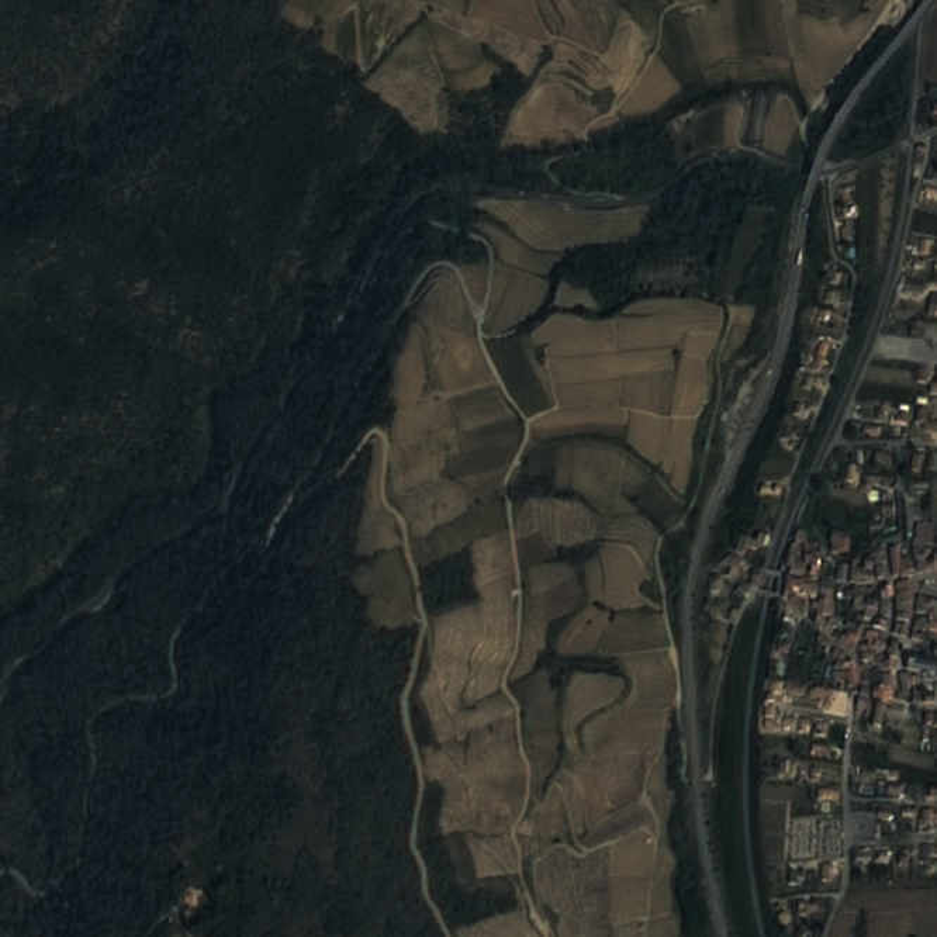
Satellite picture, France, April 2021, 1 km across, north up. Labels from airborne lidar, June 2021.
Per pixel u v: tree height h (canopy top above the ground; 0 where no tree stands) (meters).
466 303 0
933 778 0
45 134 11
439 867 10
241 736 12
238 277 7
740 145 0
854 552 7
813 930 8
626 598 0
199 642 9
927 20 0
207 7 17
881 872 10
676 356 8
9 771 15
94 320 8
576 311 6
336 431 9
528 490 21
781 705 0
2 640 17
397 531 10
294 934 0
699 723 7
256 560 6
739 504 6
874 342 0
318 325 13
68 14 6
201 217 6
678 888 12
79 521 19
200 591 10
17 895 9
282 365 12
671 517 0
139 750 8
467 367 0
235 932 7
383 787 11
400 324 9
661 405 0
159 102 9
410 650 7
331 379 16
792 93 0
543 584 0
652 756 0
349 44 0
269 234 9
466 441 0
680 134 0
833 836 0
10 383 6
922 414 0
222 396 17
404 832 9
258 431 19
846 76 5
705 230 12
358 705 7
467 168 6
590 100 0
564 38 0
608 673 0
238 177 7
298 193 7
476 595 9
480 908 7
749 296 16
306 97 10
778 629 8
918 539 0
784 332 0
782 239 9
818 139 8
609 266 9
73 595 8
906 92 10
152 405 6
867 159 0
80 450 9
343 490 7
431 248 13
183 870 6
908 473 10
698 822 0
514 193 0
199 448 16
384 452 0
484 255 7
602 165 6
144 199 6
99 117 9
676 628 11
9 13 6
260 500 10
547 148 16
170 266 8
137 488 22
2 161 8
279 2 9
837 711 0
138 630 16
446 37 0
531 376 0
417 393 0
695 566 0
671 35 0
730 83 13
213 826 9
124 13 8
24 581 21
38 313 6
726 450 0
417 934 6
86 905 9
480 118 7
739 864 6
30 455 8
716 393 10
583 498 0
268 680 7
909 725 0
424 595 8
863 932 8
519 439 0
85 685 12
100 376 7
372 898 6
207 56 13
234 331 9
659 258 9
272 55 7
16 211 7
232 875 8
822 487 20
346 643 9
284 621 7
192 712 11
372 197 11
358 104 7
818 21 0
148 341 8
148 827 6
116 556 14
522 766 0
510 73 6
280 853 0
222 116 9
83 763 20
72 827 15
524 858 0
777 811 0
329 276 13
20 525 13
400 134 12
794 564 0
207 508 13
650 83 0
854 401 0
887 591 0
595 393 0
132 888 7
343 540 5
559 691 14
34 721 16
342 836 6
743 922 9
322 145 10
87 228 8
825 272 6
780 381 5
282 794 7
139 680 12
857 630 0
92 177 12
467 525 0
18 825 8
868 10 7
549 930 0
